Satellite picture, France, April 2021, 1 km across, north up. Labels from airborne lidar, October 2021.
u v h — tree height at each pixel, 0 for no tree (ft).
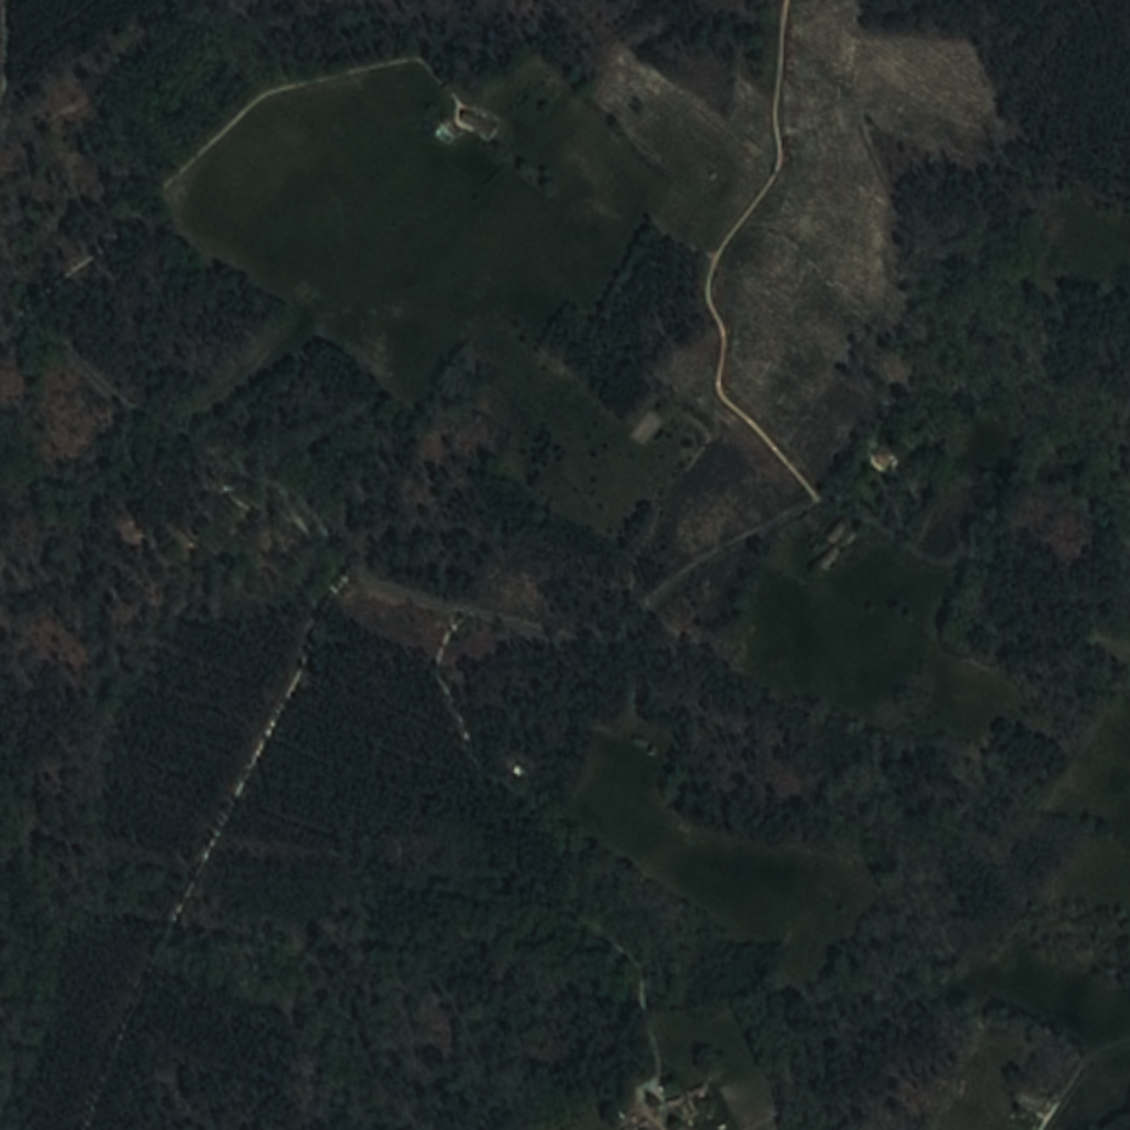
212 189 0
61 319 79
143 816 58
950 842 58
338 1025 72
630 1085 80
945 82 0
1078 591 87
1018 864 24
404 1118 67
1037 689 66
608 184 0
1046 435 72
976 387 71
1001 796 57
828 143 0
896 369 0
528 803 41
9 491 82
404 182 0
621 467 0
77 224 64
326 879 51
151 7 52
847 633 0
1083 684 44
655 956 48
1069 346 79
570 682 102
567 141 0
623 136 32
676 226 0
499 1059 85
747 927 0
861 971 78
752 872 0
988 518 82
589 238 0
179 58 84
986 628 51
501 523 41
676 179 0
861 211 0
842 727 20
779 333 0
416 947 65
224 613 44
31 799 71
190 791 61
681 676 93
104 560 81
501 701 83
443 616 0
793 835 80
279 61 64
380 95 0
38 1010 86
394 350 0
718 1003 32
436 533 17
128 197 50
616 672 89
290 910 41
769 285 0
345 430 46
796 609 0
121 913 88
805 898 0
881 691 0
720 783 20
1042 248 44
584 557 27
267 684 70
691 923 40
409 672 63
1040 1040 69
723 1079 0
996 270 66
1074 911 55
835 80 0
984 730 0
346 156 0
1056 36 82
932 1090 67
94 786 58
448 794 62
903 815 84
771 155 0
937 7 78
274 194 0
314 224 0
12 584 54
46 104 58
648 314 42
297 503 49
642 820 0
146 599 49
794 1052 50
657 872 0
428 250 0
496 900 69
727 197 0
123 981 69
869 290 0
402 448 39
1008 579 87
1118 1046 0
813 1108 45
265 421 61
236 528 62
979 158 0
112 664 74
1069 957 57
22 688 38
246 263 0
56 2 53
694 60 47
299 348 0
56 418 32
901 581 0
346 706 59
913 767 26
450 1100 53
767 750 93
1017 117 69
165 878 53
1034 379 50
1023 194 84
